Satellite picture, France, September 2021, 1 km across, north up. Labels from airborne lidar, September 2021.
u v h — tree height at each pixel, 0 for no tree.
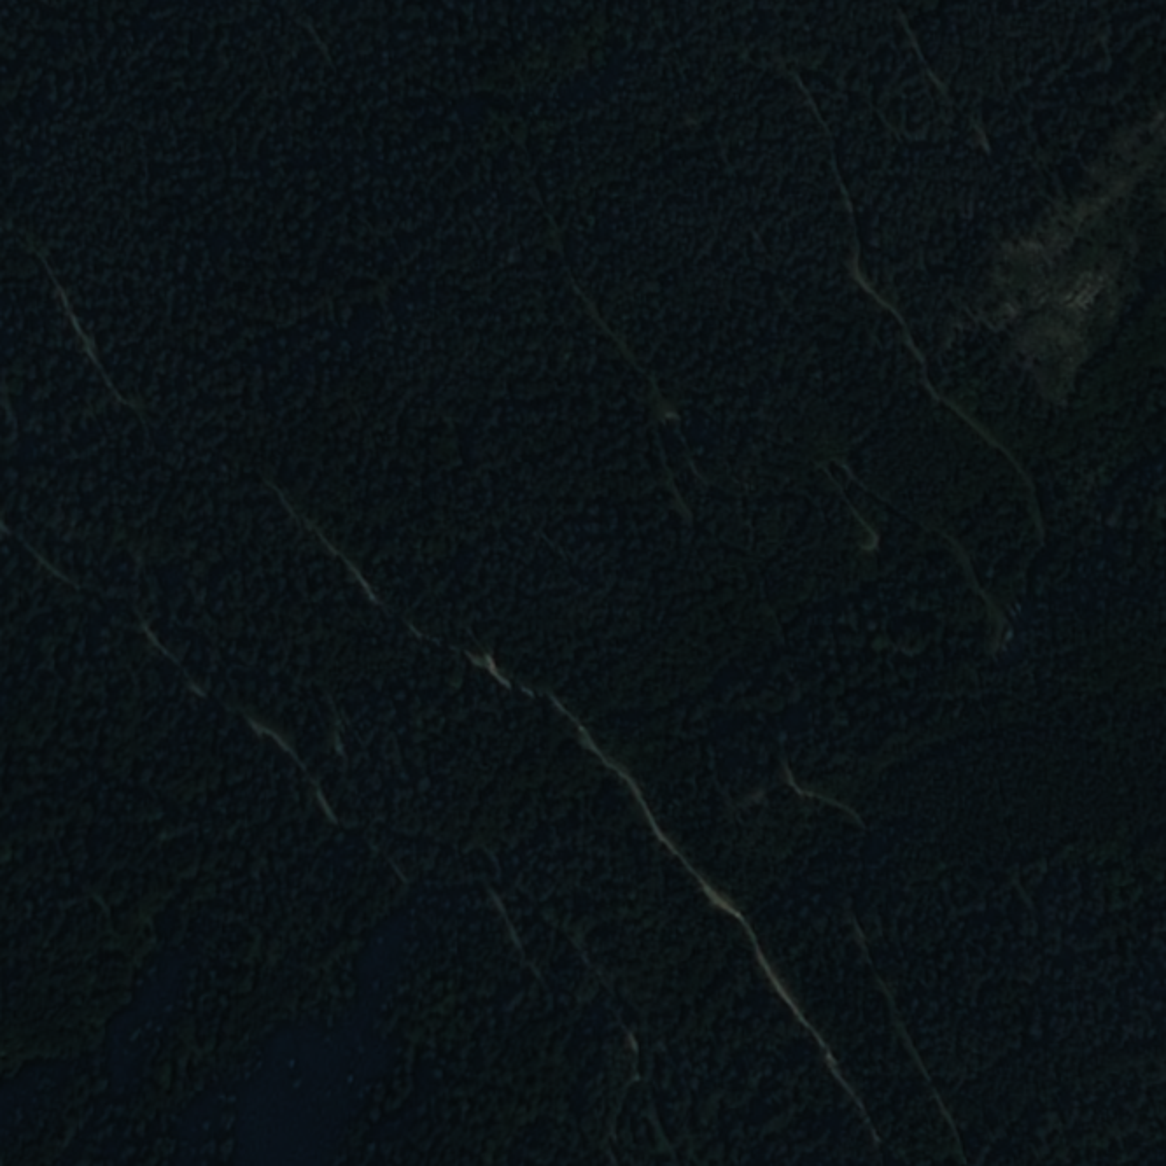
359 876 15
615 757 12
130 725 11
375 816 19
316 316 18
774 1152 24
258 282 28
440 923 16
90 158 30
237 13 33
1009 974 30
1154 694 10
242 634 13
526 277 23
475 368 24
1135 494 21
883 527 18
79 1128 25
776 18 13
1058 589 14
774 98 24
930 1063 27
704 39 27
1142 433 13
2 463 27
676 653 19
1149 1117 13
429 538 31
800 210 24
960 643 13
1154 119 14
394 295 19
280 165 25
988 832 16
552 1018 10
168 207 19
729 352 23
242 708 12
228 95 29
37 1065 16
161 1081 20
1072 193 25
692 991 22
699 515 13
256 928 15
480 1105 11
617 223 14
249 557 14
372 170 19
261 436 20
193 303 25
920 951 21
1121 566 16
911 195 23
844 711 9
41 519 22
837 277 17
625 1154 8
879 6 25
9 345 21
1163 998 13
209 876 9
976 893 14
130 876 22
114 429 22
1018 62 28
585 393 35
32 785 23
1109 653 16
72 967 20
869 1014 23
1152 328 15
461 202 17
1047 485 12
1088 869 12
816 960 11
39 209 25
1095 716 12
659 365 16
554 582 28
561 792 21
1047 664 18
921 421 17
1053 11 24
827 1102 12
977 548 8
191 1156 25
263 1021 10
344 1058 9
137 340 24
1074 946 27
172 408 26
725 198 29
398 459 23
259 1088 8
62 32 18
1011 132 26
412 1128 14
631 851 12
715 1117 6
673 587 28
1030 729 12
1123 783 16
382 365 29
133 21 17
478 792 21
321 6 29
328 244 22
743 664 20
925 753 15
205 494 22
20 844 21
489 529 26
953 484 15
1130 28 25
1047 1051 21
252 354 24
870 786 17
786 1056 7
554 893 27
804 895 26
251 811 20
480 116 24
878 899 15
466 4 24
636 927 11
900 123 22
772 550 21
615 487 35
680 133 20
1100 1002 24
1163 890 18
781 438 17
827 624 18
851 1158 24
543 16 24
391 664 14
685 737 13
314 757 26
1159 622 12
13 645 15
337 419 24
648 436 25
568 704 21
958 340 11
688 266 19
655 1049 13
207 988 25
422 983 21
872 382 27
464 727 20
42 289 23
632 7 20
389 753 33
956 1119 14
